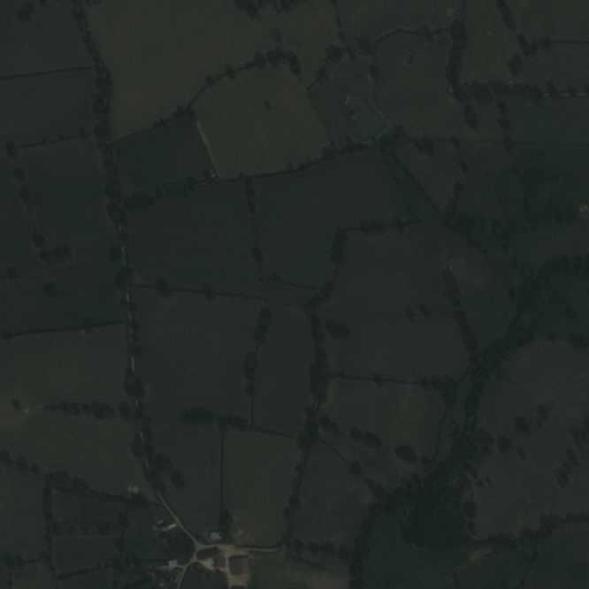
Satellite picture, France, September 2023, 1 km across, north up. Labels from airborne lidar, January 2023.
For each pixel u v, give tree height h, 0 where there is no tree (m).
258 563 0
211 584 0
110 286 0
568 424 0
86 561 0
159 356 0
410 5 0
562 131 0
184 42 0
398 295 0
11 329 0
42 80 0
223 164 0
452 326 0
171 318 0
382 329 0
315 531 0
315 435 14
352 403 0
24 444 0
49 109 0
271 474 0
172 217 0
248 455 0
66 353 0
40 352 0
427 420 0
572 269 18
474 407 16
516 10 0
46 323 0
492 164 0
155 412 0
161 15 0
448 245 0
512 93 12
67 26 0
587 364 0
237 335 0
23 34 0
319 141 0
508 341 10
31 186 0
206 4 0
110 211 15
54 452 0
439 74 0
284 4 14
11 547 0
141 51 0
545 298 0
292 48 0
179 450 0
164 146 0
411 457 16
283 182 0
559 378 0
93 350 0
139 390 18
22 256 0
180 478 17
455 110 0
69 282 0
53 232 0
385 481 0
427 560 0
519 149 0
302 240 0
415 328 0
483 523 0
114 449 0
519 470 0
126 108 0
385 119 0
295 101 0
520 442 0
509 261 0
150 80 0
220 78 0
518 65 13
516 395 0
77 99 0
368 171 0
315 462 0
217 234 0
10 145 11
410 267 0
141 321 0
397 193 0
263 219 0
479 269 0
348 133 0
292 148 0
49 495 10
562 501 0
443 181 0
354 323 0
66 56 0
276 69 0
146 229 0
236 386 0
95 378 0
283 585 0
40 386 0
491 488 0
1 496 0
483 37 0
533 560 10
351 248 0
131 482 0
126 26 0
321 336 18
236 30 0
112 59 0
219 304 0
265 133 0
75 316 0
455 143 15
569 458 17
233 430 0
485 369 17
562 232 0
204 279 0
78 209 0
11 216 0
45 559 16
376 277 0
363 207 0
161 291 14
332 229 0
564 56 0
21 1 0
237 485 0
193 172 0
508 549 27
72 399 0
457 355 0
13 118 0
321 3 0
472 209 0
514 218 0
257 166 0
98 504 0
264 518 0
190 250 0
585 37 0
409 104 0
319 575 0
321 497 0
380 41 0
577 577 0
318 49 0
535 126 0
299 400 0
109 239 0
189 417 13
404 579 0
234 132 0
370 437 12
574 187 0
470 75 0
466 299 0
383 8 0
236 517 0
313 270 0
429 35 19
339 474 0
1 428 0
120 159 0
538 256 0
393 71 0
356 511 0
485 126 0
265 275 0
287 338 0
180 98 0
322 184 0
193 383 0
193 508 0
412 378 0
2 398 0
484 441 16
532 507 0
